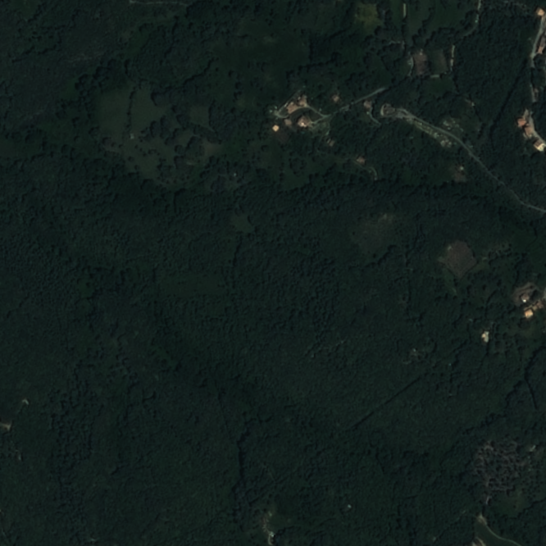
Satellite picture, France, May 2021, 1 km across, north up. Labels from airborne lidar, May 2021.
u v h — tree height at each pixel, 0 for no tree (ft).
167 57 43
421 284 48
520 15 24
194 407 64
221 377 62
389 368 30
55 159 55
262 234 28
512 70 40
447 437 47
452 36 43
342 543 29
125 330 50
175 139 57
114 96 0
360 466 31
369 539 31
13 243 40
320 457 51
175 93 63
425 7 0
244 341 21
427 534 46
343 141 31
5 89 47
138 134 0
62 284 45
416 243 26
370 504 29
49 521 50
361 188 63
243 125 26
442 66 0
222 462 57
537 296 41
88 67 30
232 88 0
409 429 34
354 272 56
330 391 25
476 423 72
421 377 27
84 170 48
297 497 29
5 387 49
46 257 53
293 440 32
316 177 45
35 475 50
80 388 50
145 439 31
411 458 58
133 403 26
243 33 0
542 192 28
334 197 49
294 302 42
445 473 41
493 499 22
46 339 38
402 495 50
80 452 45
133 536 31
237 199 33
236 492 62
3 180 53
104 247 35
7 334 48
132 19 20
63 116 73
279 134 0
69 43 28
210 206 32
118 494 50
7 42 51
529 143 22
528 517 40
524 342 35
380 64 0
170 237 28
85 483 41
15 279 39
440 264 40
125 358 46
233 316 31
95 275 72
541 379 52
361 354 39
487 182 27
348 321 45
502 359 47
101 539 31
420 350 32
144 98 0
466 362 58
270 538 0
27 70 55
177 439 33
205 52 34
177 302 31
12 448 29
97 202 42
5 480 45
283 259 42
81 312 66
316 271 39
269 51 0
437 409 22
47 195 53
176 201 68
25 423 40
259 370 31
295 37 0
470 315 29
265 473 19
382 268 51
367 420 52
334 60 39
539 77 47
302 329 44
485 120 43
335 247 41
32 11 0
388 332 40
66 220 34
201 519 28
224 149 0
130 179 51
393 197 75
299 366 31
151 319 74
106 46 35
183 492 25
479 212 66
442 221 54
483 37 34
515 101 42
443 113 24
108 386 62
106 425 56
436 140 27
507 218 86
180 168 40
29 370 40
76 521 28
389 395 31
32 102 37
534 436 52
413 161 34
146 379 53
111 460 59
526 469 24
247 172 48
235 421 51
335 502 27
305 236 52
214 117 30
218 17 39
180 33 45
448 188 81
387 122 39
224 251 26
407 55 46
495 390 64
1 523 37
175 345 59
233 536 36
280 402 46
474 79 38
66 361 48
